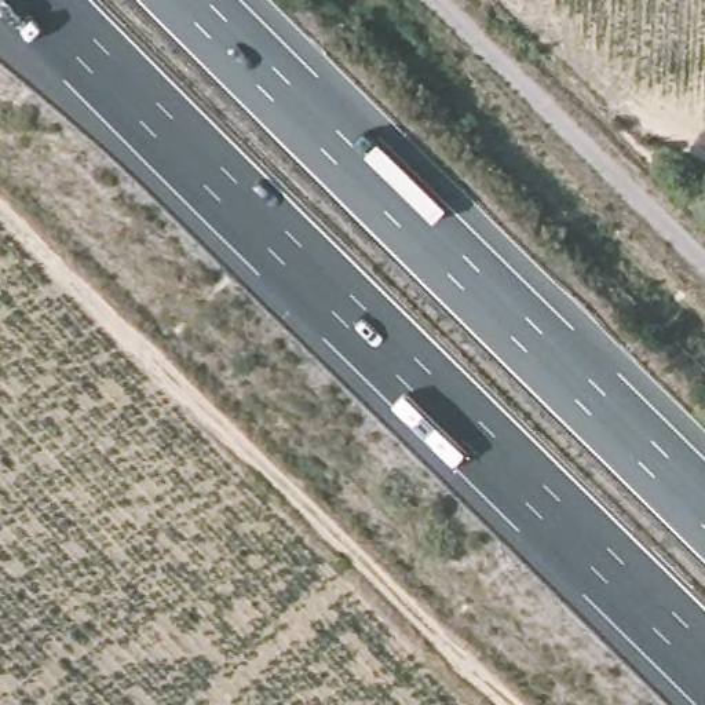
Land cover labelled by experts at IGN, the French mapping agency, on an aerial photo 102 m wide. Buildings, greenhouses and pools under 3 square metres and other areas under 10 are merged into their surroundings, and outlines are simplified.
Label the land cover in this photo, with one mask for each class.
<instances>
[{"label":"impervious surface","instance_id":"1","mask_svg":"<svg viewBox=\"0 0 705 705\"><path fill-rule=\"evenodd\" d=\"M11 72L22 85H28L33 94L47 99V105H52L61 116H66L72 127L83 132L99 151L116 160L129 173V179L151 196L149 207L160 215L168 212L179 226L218 262L215 270L220 278H234L240 289H245L256 303H262L270 311V317L281 328H286L295 336V341L303 344L322 369L330 372V386L339 388V394L350 402L353 413H361V419L375 416L383 427H388L397 443L405 446L443 485L441 496L452 498L457 509H471L482 520V534H487L490 543H501L504 548H509V554L518 562H523L620 661H625L631 672L658 694L655 705H705V408L691 394V386L683 375L669 372V364L661 353L647 350L642 341H633V336L617 322L611 306H606V300L598 292H592L576 275V264L567 253L540 248L529 229L515 223L504 207L496 204V198L485 190L482 179L468 173L460 182L454 171H449L416 135L386 127L391 121L388 116L397 110V102L388 99L377 74H369L361 63H353L341 47H336L328 39L325 28L317 22L306 0H0V74Z\"/></svg>","mask_w":705,"mask_h":705},{"label":"vineyard","instance_id":"2","mask_svg":"<svg viewBox=\"0 0 705 705\"><path fill-rule=\"evenodd\" d=\"M149 375L116 344V339L107 330H102L94 322V317L85 314V308L72 295H66L47 275V270L36 262L33 253L25 251L19 240L0 229V705H496L485 691H479L468 677H463L452 666V661L353 565L347 554L333 548L303 518V512L259 468L245 463L218 435L198 427L185 413V408L176 405L165 391L146 394L143 386Z\"/></svg>","mask_w":705,"mask_h":705},{"label":"brushwood","instance_id":"3","mask_svg":"<svg viewBox=\"0 0 705 705\"><path fill-rule=\"evenodd\" d=\"M317 22L325 28L328 39L336 47H341L353 63H361L369 74H377L388 99L397 102V110L388 116L391 121L386 127L416 135L449 171H454L460 182L468 173L482 179L485 190L496 198V204L504 207L515 223L529 229L540 248L567 253L576 264V275L592 292H598L606 300V306H611L617 322L633 336V341H642L647 350L661 353L669 364V372L683 375L691 386V394L705 408V322L697 311L680 306L658 278L647 275L631 256H625L614 237L600 234L598 218L581 209V201L573 196V190H567L545 165L534 162L520 146L512 143L509 132L498 121V107H482L476 102L468 77L463 74L465 52L471 50L452 25H446V19L438 17L427 25V30L435 47L443 50V72H438L430 63H424L388 28V22L353 19L350 6L355 0H306ZM72 127L66 116H61L52 105H47V99L33 94L28 85H22L11 72L0 74V138L6 132H17L22 149H28L36 132H63ZM11 201L14 209L33 223V229L52 245V251L61 259L74 264V270H80L127 322H132L143 336H149L215 402L218 410L237 421V427L267 457H273L286 474L300 479L303 490L314 496L344 532L358 537V543L413 598L424 600L427 609L443 625L454 614L452 603L416 576L413 562L402 559L399 548H388L391 540H399V534L377 532L369 523L366 512L353 509L341 498V490L353 485L361 496L366 493V479L358 474V468L364 463V454L369 452L388 468L383 479V498L394 507H405L408 520L427 523V534L413 545L421 548L430 559H463L490 543L487 534H482V520L471 509H457L452 498L441 496L443 485L405 446L397 443L388 427H383L375 416L361 419V413H353L350 402L339 394V388L330 386V372L322 369L303 344L295 341V336L286 328H281L270 317V311L262 303H256L245 289H240L234 278H220L215 270L218 262L179 226L176 237L168 240L173 251L171 259L149 256L154 273L165 278L162 286H154L146 303H138L129 289L121 286L118 275L102 267L99 259L74 237V231L66 229L50 207L39 201L33 187L17 185L0 173V204ZM116 207L135 218L132 226L118 229L116 242L143 245L151 231L165 229V220L160 215L149 207L138 204L129 193L116 196ZM468 644V650L476 653L482 664L498 672L529 705H625L622 697H603L589 669L567 655L565 644H545L540 666L534 672H523L512 661H507L493 644L482 642L471 628H463L457 636Z\"/></svg>","mask_w":705,"mask_h":705},{"label":"herbaceous vegetation","instance_id":"4","mask_svg":"<svg viewBox=\"0 0 705 705\"><path fill-rule=\"evenodd\" d=\"M463 74L468 77L476 102L482 107H498V121L509 132L512 143L520 146L534 162L545 165L567 190H573V196L581 201V209L598 218L600 234L614 237L625 256H631L647 275L658 278L680 306L697 311L705 322V278L675 251L669 240H664L631 204H625V198L611 185H606L595 165H589L543 116L534 113V107L509 85V80H504L479 52L471 50L465 52ZM0 173L17 185L33 187L39 201L50 207L66 229L74 231V237L99 259L102 267L118 275L121 286L129 289L138 303H146L154 286H162L165 278L154 273L149 256L171 259L173 251L168 240L176 237L179 226L168 212L160 215L165 220V229L151 231L143 245L116 242L118 229L132 226L135 218L116 207V196L129 193L138 204L149 207L151 196L129 179V173L116 160L99 151L83 132L72 127L63 132H36L28 149H22L17 132H6L0 138ZM358 474L366 479V493L361 496L353 485L341 490V498L353 509L366 512L369 523L377 532L399 534V540H391L388 548H399L402 559L413 562L416 576L452 603L454 614L443 625L449 633L457 636L463 628H471L482 642L493 644L507 661H512L523 672H534L540 666L545 644H565L567 655L589 669L603 697H622L625 705H655L658 694L631 672L625 661H620L523 562H518L509 554V548H504L501 543H490L463 559H430L421 548L413 545L427 534V523L408 520L405 507H394L383 498V479L388 468L369 452L364 454V463L358 468Z\"/></svg>","mask_w":705,"mask_h":705},{"label":"plowed land","instance_id":"5","mask_svg":"<svg viewBox=\"0 0 705 705\"><path fill-rule=\"evenodd\" d=\"M465 8V14L476 25H482L490 41H496L507 55H512L523 66V72L534 77L537 85L545 88L562 105V110L600 143L603 151H609L614 160L622 157L644 179L647 162H653L655 157L675 165L680 187L688 198H697L694 215L688 220H680L683 229L694 234L705 248V0H457Z\"/></svg>","mask_w":705,"mask_h":705},{"label":"pervious surface","instance_id":"6","mask_svg":"<svg viewBox=\"0 0 705 705\"><path fill-rule=\"evenodd\" d=\"M430 8L438 17L446 19V25H452L471 50L479 52L504 80H509V85L534 107V113L543 116L589 165H595L606 185H611L625 198V204H631L664 240H669L675 251L705 278V248L694 234L683 229L680 220V215L664 201V196L647 193L644 179L622 157L614 160L609 151H603L600 143L562 110V105L545 88L537 85L534 77L523 72V66L512 55H507L496 41H490L482 25H476L465 14V8L457 0H432ZM0 229L19 240L25 251L33 253L36 262L47 270V275L66 295H72L85 308V314L94 317V322L102 330H107L116 339V344L149 375L143 386L146 394L165 391L176 405L185 408V413L198 427L218 435L245 463L259 468L303 512V518L333 548L347 554L353 565L452 661V666L463 677H468L479 691H485L496 705H529L498 672L482 664L476 653L468 650V644L457 636L449 633L443 625L427 609L424 600L413 598L358 543V537L344 532L314 496L303 490L300 479L286 474L273 457H267L237 427V421L218 410L215 402L149 336H143L132 322H127L80 270H74V264L61 259L52 251V245L33 229V223L14 209L11 201L0 204Z\"/></svg>","mask_w":705,"mask_h":705},{"label":"deciduous trees","instance_id":"7","mask_svg":"<svg viewBox=\"0 0 705 705\"><path fill-rule=\"evenodd\" d=\"M432 0H355L350 6L353 19L388 22V28L424 63H430L438 72H443V50L435 47L427 30V25L438 17L430 8ZM647 193L664 196V201L680 215V220H688L694 215L697 198H688L680 187L675 165L655 157L653 162H647L644 179Z\"/></svg>","mask_w":705,"mask_h":705}]
</instances>
